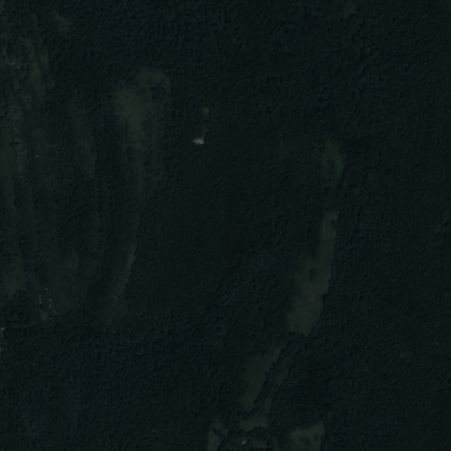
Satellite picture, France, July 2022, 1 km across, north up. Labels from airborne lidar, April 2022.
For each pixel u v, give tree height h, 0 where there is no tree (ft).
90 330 53
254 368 0
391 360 52
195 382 89
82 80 41
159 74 0
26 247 39
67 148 33
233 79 75
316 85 52
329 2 44
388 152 62
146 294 19
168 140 46
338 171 0
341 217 42
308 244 34
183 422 63
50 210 38
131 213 31
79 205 21
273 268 87
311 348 68
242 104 85
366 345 70
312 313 0
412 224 47
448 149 51
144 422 68
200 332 87
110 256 45
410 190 53
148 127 29
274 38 102
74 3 30
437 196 45
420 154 56
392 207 65
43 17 46
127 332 53
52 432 32
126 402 57
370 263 58
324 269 0
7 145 0
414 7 60
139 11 70
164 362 92
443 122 38
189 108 50
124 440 40
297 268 69
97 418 64
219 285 71
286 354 41
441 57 58
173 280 33
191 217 43
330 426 71
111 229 26
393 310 58
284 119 76
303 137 40
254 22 91
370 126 93
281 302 77
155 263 21
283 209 70
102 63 55
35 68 0
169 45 73
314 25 78
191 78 65
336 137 24
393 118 69
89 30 51
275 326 84
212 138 42
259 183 42
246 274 88
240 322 85
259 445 0
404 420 47
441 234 43
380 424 57
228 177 63
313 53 89
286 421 21
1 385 45
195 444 67
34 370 43
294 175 38
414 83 71
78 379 53
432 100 50
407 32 51
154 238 25
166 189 28
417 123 53
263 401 26
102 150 41
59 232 27
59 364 55
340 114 90
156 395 70
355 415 69
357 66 77
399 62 64
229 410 72
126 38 79
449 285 40
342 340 71
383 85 88
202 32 44
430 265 50
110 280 44
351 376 43
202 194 44
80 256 29
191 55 73
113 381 55
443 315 37
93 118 33
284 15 110
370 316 70
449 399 57
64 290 19
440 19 45
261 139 67
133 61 52
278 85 105
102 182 36
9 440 28
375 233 73
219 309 83
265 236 69
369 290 64
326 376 31
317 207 30
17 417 39
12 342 56
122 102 0
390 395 59
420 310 56
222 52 80
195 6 62
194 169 35
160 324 70
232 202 63
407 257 55
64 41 27
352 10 0
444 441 63
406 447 47
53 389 57
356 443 60
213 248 53
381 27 61
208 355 81
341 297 53
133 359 52
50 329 64
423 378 39
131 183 23
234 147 65
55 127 19
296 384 33
